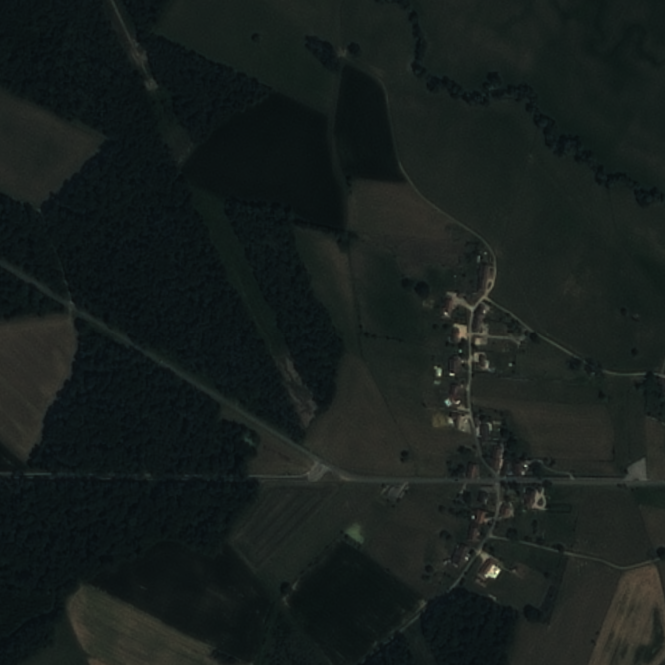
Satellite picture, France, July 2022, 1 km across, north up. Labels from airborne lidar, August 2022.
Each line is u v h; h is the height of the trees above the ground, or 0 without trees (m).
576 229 0
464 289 0
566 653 0
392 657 18
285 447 0
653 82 0
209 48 0
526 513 0
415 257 0
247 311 24
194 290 23
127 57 17
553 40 0
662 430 0
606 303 0
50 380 0
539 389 0
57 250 12
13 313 19
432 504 0
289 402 19
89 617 0
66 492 18
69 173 0
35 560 24
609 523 0
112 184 24
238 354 27
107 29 19
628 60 0
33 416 0
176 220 19
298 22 0
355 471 0
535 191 0
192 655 0
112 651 0
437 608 23
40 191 0
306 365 22
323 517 0
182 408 23
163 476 22
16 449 0
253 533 0
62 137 0
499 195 0
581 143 19
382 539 0
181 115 16
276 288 14
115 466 15
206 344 23
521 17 0
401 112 0
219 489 18
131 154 21
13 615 5
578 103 0
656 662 0
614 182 15
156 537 8
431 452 0
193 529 14
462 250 0
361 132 0
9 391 0
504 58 0
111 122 19
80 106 30
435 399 0
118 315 22
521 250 0
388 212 0
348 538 11
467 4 0
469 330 0
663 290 0
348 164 0
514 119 0
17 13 24
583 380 0
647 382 8
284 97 0
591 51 0
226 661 7
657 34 0
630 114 0
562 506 0
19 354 0
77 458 21
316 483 0
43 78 23
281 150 0
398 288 0
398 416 0
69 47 15
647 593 0
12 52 14
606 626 0
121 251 21
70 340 0
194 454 25
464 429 0
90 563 23
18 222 21
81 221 25
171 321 24
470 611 17
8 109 0
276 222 24
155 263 23
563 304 0
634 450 0
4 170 0
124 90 20
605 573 0
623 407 0
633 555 0
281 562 0
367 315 0
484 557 0
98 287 8
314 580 0
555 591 0
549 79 0
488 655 22
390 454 0
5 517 21
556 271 0
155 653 0
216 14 0
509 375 0
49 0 25
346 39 0
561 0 0
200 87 21
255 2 0
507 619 24
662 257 0
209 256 18
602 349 0
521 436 0
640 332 0
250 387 24
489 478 0
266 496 0
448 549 0
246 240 23
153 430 26
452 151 0
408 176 0
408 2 15
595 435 0
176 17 0
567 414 0
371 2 0
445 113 0
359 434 0
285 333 12
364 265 0
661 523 0
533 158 0
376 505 0
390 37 0
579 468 0
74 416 29
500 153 0
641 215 0
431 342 0
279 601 0
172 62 22
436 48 0
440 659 15
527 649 0
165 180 30
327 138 0
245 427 13
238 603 0
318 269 0
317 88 0
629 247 0
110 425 25
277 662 6
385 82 0
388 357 0
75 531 22
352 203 0
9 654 22
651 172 0
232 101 15
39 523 22
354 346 0
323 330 22
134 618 0
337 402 0
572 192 0
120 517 22
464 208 0
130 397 28
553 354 0
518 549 0
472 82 0
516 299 0
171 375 22
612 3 0
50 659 0
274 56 0
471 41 0
